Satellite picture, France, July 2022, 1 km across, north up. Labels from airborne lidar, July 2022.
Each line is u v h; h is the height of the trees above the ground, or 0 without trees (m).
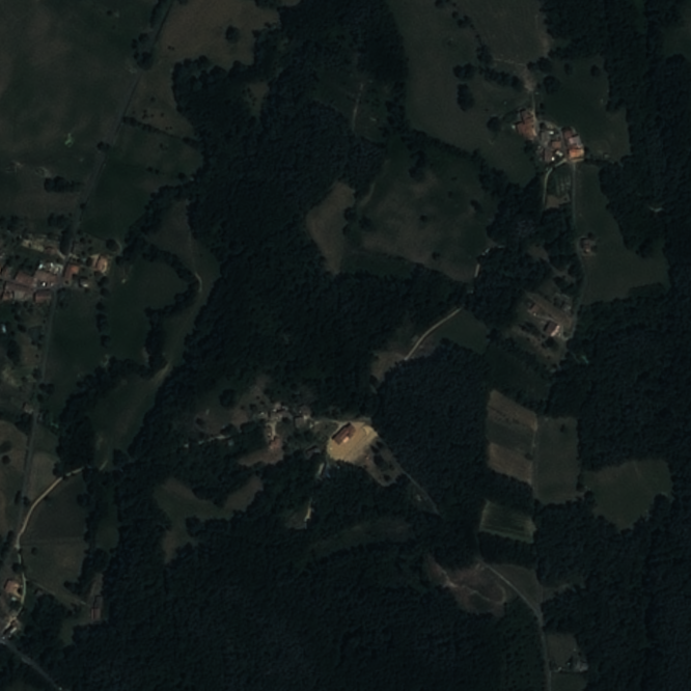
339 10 17
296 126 23
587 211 0
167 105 0
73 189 14
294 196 24
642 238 8
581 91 0
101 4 0
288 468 15
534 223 16
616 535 16
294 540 22
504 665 17
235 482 16
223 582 20
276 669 19
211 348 16
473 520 10
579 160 0
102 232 0
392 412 22
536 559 17
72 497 0
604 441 24
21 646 13
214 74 16
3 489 0
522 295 14
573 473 0
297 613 24
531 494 13
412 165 0
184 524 0
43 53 0
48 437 0
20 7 0
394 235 0
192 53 0
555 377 17
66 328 0
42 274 0
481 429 12
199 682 24
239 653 19
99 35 0
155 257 17
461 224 0
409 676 29
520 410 0
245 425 11
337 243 0
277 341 7
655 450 22
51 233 6
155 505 23
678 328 28
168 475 16
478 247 0
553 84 20
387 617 25
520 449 0
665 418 25
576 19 27
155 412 12
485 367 18
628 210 15
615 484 0
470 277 0
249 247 17
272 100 15
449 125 0
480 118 0
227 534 17
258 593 26
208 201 16
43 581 0
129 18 0
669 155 21
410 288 24
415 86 0
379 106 11
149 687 23
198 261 0
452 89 0
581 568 30
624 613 25
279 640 20
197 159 0
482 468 21
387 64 16
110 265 0
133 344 0
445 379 23
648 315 20
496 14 0
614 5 25
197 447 11
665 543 20
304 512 0
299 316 12
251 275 16
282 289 15
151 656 26
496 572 0
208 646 18
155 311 20
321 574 12
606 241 0
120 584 15
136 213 0
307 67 15
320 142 23
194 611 25
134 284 0
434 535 24
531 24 0
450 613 24
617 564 24
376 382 20
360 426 0
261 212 17
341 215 0
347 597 24
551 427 0
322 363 8
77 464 9
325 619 25
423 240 0
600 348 21
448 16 0
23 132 0
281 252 22
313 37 6
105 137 0
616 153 0
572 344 15
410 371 20
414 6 0
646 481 0
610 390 19
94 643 22
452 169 0
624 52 21
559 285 14
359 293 17
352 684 27
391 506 17
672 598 27
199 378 16
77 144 0
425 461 22
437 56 0
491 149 0
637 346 24
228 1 0
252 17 0
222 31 0
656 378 25
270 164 20
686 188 15
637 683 28
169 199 19
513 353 22
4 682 20
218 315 17
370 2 22
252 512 17
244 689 24
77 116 0
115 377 13
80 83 0
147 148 0
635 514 0
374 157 29
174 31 0
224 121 20
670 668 27
